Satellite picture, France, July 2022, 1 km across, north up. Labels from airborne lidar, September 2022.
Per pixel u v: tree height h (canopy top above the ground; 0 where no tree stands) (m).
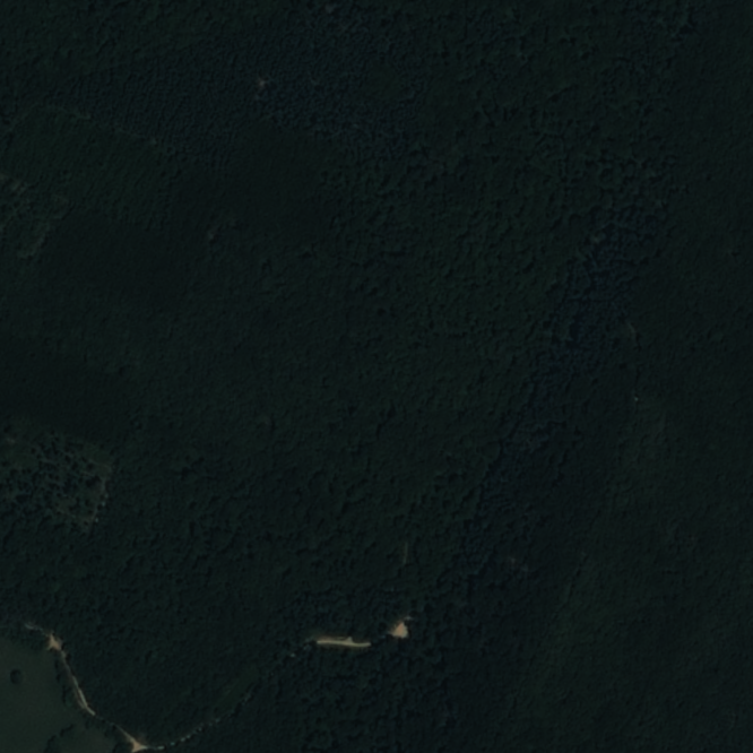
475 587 27
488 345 20
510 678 14
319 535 20
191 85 16
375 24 27
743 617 20
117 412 9
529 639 16
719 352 28
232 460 16
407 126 25
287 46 16
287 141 13
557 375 34
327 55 21
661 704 8
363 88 22
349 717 21
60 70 17
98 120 18
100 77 15
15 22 18
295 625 18
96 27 22
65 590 17
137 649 18
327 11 22
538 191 18
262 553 19
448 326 14
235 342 17
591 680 15
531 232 16
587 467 17
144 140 12
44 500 7
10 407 12
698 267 16
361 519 19
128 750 14
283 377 17
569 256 18
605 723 26
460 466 19
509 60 30
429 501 20
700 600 18
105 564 17
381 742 23
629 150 25
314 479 16
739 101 16
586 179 26
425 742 28
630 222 31
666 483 15
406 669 27
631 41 22
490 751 20
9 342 10
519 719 16
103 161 5
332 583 21
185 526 15
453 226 16
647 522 20
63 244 13
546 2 25
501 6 24
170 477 15
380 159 27
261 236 15
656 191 20
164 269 14
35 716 0
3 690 0
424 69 21
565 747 18
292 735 25
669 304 20
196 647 21
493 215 15
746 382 22
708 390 16
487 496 25
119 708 16
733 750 14
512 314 19
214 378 17
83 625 17
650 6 23
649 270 22
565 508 20
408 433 14
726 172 15
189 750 14
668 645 23
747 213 23
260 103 26
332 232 9
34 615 16
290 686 27
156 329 15
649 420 9
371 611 19
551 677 11
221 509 20
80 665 16
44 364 7
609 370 26
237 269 17
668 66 13
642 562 21
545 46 18
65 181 11
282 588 17
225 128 18
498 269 20
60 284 16
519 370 21
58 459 6
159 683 21
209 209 17
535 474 26
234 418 14
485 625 26
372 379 18
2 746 0
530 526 25
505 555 25
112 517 16
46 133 6
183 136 21
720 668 19
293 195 12
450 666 27
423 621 24
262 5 18
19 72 17
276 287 14
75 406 10
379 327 18
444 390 11
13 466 19
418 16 21
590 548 13
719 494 18
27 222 8
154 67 18
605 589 19
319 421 18
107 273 13
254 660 17
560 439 26
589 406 25
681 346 24
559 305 24
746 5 29
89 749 0
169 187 7
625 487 12
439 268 19
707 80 24
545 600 15
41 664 0
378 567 16
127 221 12
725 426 19
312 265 20
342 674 7
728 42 20
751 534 18
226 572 19
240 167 14
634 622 20
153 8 20
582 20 24
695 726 15
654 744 15
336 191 8
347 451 22
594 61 17
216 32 19
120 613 20
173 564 19
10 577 15
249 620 21
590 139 21
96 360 16
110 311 15
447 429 18
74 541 18
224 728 13
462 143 23
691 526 21
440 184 29
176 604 12
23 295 14
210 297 17
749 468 22
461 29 24
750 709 17
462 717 25
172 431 17
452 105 19
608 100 20
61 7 17
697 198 14
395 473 18
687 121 25
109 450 14
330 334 17
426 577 18
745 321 20
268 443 17
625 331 27
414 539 24
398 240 19
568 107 22
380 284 18
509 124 25
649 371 18
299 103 26
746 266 18
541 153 16
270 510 22
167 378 15
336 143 23
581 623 14
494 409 13
